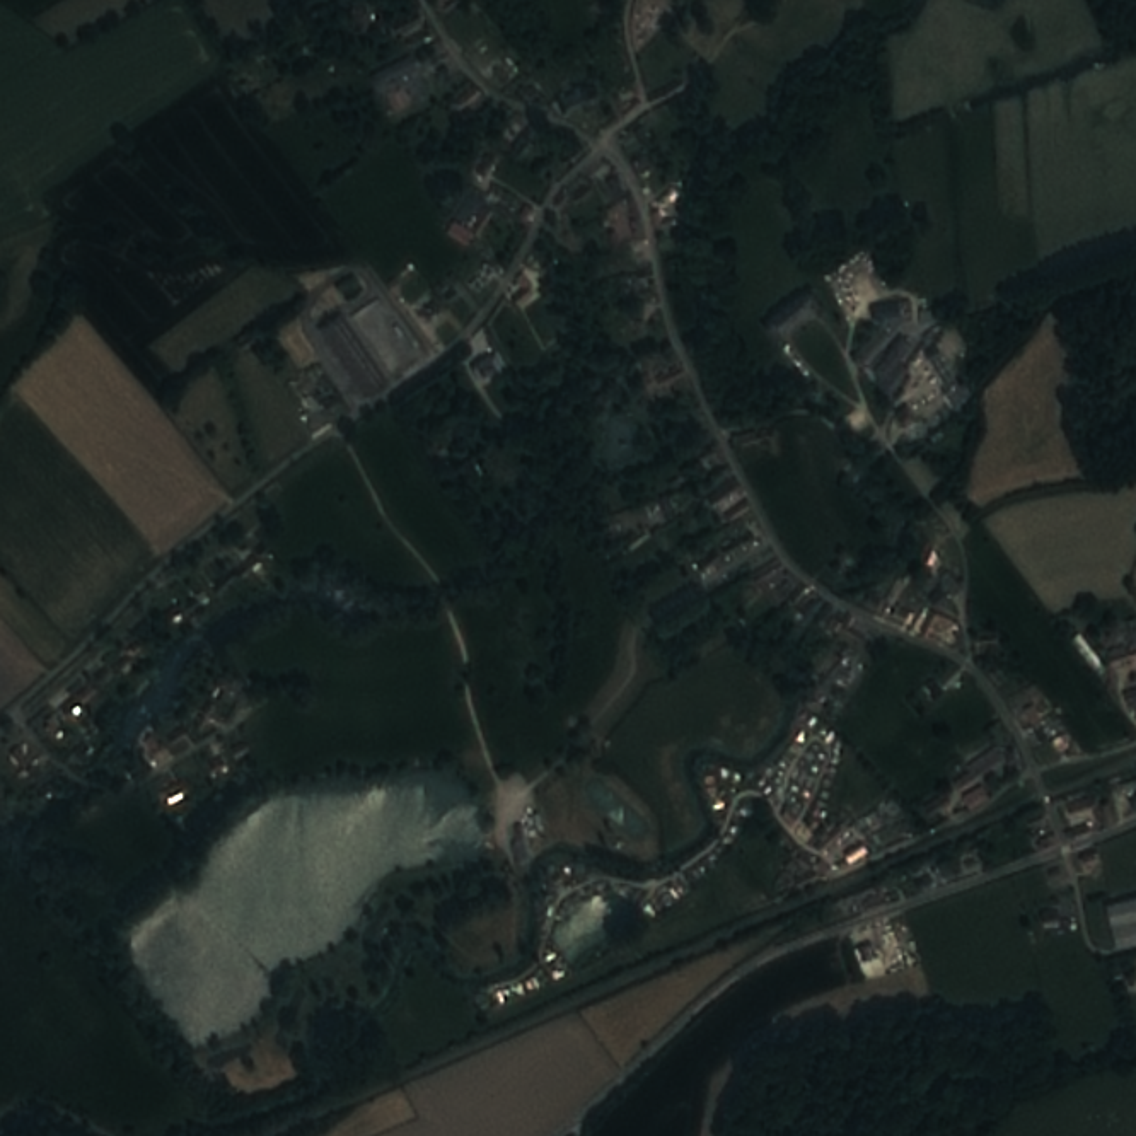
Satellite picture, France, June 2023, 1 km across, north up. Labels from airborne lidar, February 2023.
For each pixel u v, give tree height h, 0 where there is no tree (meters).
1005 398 0
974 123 0
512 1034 0
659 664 7
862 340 8
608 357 21
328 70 0
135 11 14
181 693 11
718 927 0
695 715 0
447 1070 0
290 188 0
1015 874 0
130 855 0
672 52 0
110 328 0
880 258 15
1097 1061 11
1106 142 0
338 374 0
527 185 0
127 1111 0
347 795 0
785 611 9
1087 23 0
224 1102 12
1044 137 0
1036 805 8
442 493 12
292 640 0
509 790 0
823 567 0
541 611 0
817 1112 23
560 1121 0
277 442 0
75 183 0
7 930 0
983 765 0
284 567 0
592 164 0
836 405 17
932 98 0
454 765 14
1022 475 0
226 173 0
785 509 0
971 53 0
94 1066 0
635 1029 0
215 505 0
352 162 7
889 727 0
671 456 18
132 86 0
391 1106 0
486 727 0
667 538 0
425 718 0
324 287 0
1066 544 0
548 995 0
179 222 0
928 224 24
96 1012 0
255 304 0
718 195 26
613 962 0
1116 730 0
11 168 0
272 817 0
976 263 0
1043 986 0
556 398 28
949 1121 16
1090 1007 0
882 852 0
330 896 0
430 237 0
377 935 0
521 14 9
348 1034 35
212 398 0
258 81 0
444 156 15
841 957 0
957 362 0
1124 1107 0
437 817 0
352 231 0
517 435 27
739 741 0
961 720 0
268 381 0
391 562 0
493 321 0
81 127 0
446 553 0
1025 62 0
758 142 22
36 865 21
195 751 0
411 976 11
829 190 0
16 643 0
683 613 27
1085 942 0
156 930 0
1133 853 0
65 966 0
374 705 0
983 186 0
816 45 0
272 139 0
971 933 0
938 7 0
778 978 0
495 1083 0
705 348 24
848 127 0
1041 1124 0
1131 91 0
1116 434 30
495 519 16
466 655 0
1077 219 0
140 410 0
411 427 14
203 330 0
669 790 0
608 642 0
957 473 5
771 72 0
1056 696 0
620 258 0
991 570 0
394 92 0
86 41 12
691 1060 0
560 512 17
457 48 0
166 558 0
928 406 0
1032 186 0
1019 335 7
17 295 0
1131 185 0
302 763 0
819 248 22
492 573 10
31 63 0
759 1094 22
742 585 8
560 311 19
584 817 0
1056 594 0
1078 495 0
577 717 0
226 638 27
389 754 0
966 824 0
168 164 0
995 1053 30
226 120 0
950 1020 29
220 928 0
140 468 0
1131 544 0
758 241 0
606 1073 0
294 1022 21
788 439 0
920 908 0
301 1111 8
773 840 11
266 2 0
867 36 18
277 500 0
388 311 0
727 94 0
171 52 0
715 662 0
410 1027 0
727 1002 0
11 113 0
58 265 0
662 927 0
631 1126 0
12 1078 0
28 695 0
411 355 0
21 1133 24
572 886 0
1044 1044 23
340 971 0
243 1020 0
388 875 0
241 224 0
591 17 0
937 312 11
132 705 0
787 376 21
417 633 0
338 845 0
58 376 0
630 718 0
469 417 13
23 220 0
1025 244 0
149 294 0
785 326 0
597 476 13
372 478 0
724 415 16
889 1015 26
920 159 0
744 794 0
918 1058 27
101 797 7
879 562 25
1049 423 0
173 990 0
